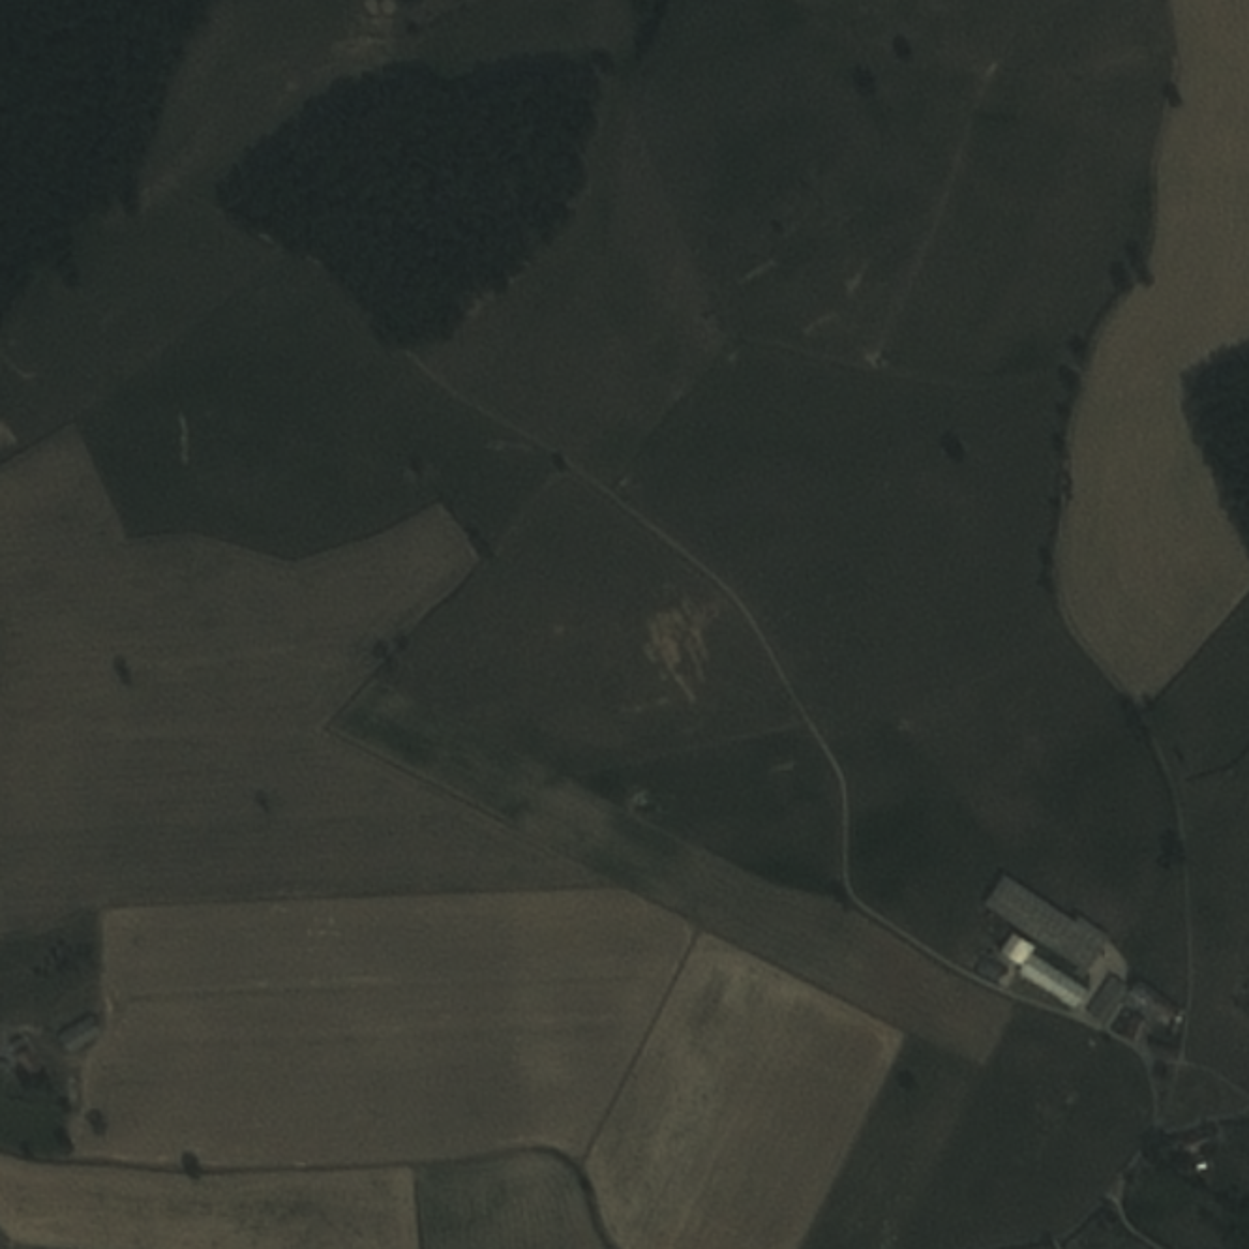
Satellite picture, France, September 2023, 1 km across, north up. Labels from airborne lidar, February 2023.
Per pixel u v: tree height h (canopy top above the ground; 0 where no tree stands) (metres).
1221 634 0
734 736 0
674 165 0
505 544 0
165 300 0
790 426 0
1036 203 0
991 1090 0
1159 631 0
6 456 0
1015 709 0
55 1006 0
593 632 0
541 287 0
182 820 0
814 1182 0
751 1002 0
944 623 0
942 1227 0
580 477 0
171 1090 0
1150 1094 0
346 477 0
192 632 0
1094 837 0
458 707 0
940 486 0
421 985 0
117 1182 0
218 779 0
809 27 0
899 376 0
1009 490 0
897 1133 0
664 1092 0
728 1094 0
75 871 0
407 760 0
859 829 0
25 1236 0
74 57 30
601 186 0
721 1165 0
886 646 0
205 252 0
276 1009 0
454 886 0
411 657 0
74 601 0
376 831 0
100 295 0
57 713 0
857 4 0
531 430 0
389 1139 0
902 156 0
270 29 0
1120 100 0
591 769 0
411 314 20
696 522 0
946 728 0
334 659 0
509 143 20
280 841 0
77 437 0
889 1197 0
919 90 0
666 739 0
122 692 0
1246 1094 0
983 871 0
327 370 0
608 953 0
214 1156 0
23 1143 0
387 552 0
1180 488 0
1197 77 0
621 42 0
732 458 0
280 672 0
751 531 0
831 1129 0
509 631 0
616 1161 0
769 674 0
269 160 18
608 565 0
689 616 0
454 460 0
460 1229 0
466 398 0
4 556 0
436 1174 0
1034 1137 0
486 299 0
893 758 0
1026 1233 0
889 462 0
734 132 0
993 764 0
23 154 26
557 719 0
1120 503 0
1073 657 0
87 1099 0
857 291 0
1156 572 0
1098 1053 0
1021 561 0
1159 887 0
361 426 0
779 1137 0
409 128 21
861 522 0
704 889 0
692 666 0
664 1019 0
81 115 29
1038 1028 0
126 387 0
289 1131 0
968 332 0
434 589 0
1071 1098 0
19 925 0
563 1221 0
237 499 0
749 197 0
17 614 0
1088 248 0
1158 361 0
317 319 0
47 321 0
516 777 0
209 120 0
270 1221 0
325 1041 0
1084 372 0
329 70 0
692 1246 0
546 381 0
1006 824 0
